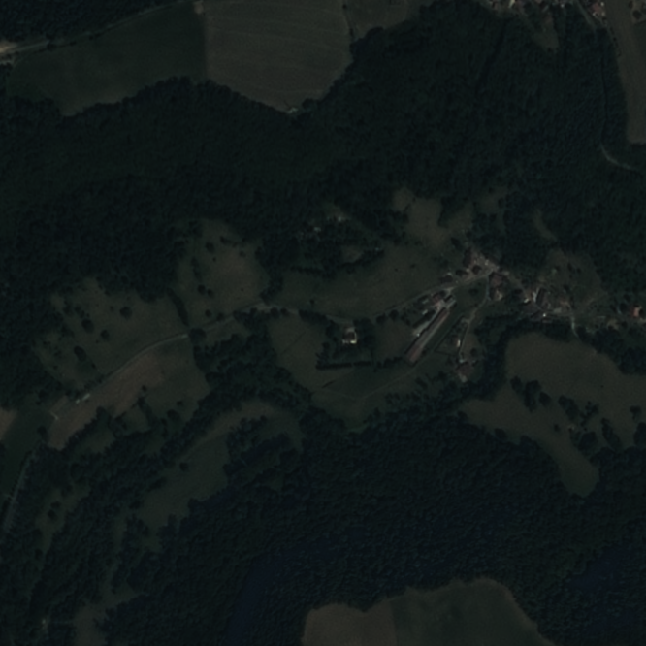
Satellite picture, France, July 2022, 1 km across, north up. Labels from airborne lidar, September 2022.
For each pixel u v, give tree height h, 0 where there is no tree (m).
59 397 0
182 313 14
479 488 29
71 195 33
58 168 24
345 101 24
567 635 20
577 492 0
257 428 22
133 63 0
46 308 16
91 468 24
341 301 0
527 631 0
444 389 0
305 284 0
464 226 0
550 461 18
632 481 27
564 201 15
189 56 0
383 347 0
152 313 0
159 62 0
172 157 35
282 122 25
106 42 0
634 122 0
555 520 32
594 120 25
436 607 0
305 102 9
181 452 21
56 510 14
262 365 27
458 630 0
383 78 28
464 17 25
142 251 19
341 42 0
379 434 27
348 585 25
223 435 0
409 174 31
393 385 0
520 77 20
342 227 12
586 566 29
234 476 25
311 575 31
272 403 21
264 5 0
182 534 28
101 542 20
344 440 25
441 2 10
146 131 24
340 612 0
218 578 19
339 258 12
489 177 14
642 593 28
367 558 33
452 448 31
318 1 0
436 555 30
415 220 0
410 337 0
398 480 26
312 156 17
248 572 17
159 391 0
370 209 7
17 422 0
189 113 24
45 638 6
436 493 30
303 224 16
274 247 18
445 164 8
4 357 20
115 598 0
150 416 16
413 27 7
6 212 18
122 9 21
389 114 13
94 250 17
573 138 20
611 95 19
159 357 0
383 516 28
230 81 0
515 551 22
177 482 0
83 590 16
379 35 18
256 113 23
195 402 0
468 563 34
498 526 23
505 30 13
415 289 0
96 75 0
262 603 26
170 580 14
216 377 18
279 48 0
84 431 7
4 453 23
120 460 19
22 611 18
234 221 20
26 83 0
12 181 24
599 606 26
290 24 0
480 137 34
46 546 0
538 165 17
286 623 28
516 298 15
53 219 13
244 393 19
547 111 23
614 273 8
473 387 23
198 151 24
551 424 0
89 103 0
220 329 0
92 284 0
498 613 0
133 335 0
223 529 26
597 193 14
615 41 6
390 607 0
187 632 21
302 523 27
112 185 33
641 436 14
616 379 0
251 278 0
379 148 31
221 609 26
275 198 22
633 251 17
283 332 0
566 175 17
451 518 27
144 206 25
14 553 22
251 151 23
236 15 0
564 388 0
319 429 27
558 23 12
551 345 0
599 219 17
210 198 26
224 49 0
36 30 17
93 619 0
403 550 30
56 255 21
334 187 24
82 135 28
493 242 18
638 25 0
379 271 0
